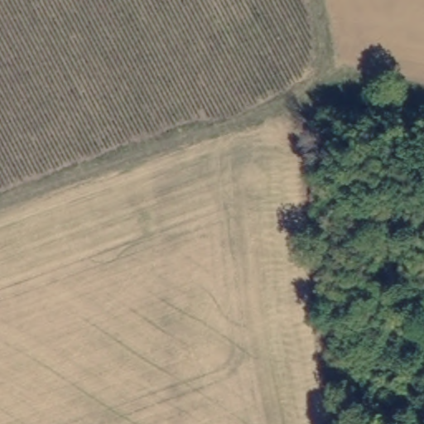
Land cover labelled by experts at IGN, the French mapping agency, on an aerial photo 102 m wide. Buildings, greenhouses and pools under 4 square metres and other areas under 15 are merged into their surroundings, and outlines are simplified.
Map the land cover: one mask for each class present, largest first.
<instances>
[{"label":"agricultural land","instance_id":"1","mask_svg":"<svg viewBox=\"0 0 424 424\"><path fill-rule=\"evenodd\" d=\"M293 124L291 119H267L258 128L230 132L214 139L197 142L192 146L187 144L184 151H172L166 156L154 157L128 174L108 172L96 179L51 190L50 194L43 195L41 199H33L26 204L0 212V424H308L306 396L311 389L318 388L320 383L313 354L320 351L321 344L311 326L306 325L305 305L298 300L293 287L295 280H306L308 273L305 272V268L291 262L287 247V230L278 229L280 207L303 204L306 195L305 185L301 179L300 157L291 151L288 141Z\"/></svg>","mask_w":424,"mask_h":424},{"label":"deciduous trees","instance_id":"2","mask_svg":"<svg viewBox=\"0 0 424 424\"><path fill-rule=\"evenodd\" d=\"M358 66L361 70L358 81L316 84L315 88L308 91L310 99L306 103H301L295 94L288 93L285 108L290 111L291 119L293 124L288 141L291 151L300 157L301 179L305 185L306 195L303 204L280 207L278 229L287 230V247L291 262L305 268V272L308 273L306 280H295L293 287L298 300L305 305L306 325L311 326L321 344L320 351L313 354L320 383L318 388L311 389L306 396L308 424H424V111H402L401 104L404 103L407 88L412 83L406 76L401 75L396 60L383 46H369L368 50H364Z\"/></svg>","mask_w":424,"mask_h":424},{"label":"vineyard","instance_id":"3","mask_svg":"<svg viewBox=\"0 0 424 424\"><path fill-rule=\"evenodd\" d=\"M310 26L306 20L303 0H0V187L15 181L18 177L58 166L71 157H78L79 154L98 151L101 147L109 146L111 142L131 139L137 132H156L161 124H166L167 129L176 131L209 129L214 139L230 132L258 128L267 119H291L290 111L285 108L288 93L285 84L303 73L310 55Z\"/></svg>","mask_w":424,"mask_h":424},{"label":"herbaceous vegetation","instance_id":"4","mask_svg":"<svg viewBox=\"0 0 424 424\"><path fill-rule=\"evenodd\" d=\"M306 20L310 26V55L303 73L285 84L288 93L295 94L301 103H306L310 99L308 91L315 88L316 84L358 81L361 70L358 66H335L333 36L325 0H303ZM402 111H424V86L412 83L407 88L404 103L401 104ZM214 139L209 129L176 131L167 129L166 124H161L156 132H137L131 139L111 142L109 146L101 147L98 151L79 154L78 157H71L58 166L18 177L15 181L0 187V212L26 204L33 199H41L43 195L50 194L51 190L96 179L108 172L128 174L154 157L166 156L172 151H184L187 144L192 146L197 142Z\"/></svg>","mask_w":424,"mask_h":424},{"label":"plowed land","instance_id":"5","mask_svg":"<svg viewBox=\"0 0 424 424\"><path fill-rule=\"evenodd\" d=\"M333 36L335 66H358L364 50H368L369 46H383L396 60L401 75L406 76L412 83L424 86V0H325Z\"/></svg>","mask_w":424,"mask_h":424}]
</instances>
